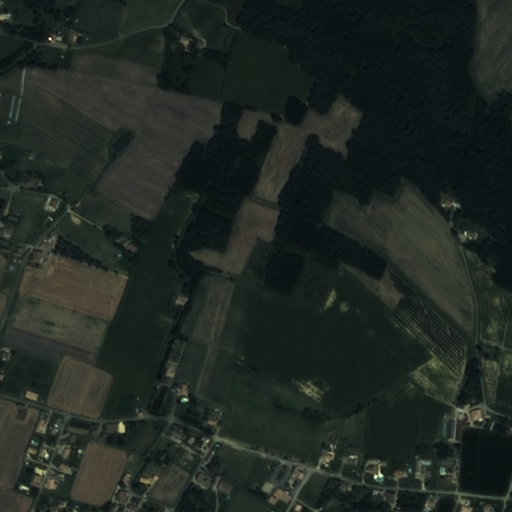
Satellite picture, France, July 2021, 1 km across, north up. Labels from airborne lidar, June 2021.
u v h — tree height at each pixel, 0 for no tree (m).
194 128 0
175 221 0
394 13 18
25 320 0
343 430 0
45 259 0
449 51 19
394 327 0
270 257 6
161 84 5
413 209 0
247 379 0
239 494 0
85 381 0
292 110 15
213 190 12
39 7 9
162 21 0
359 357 0
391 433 0
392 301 0
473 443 0
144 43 0
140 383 0
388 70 16
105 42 0
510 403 0
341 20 17
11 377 0
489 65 0
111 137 0
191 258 12
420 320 8
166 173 0
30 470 11
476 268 0
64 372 0
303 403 0
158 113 0
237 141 16
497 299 0
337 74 25
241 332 0
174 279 0
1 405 0
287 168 0
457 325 0
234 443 0
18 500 0
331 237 23
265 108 0
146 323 0
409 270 0
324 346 0
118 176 0
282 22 16
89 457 0
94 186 0
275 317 0
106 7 0
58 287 0
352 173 8
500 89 0
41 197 0
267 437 0
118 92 0
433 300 0
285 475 0
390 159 23
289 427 0
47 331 0
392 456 0
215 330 0
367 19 27
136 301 0
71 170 0
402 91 16
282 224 15
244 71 0
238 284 0
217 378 0
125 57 0
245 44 0
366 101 16
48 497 0
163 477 0
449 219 15
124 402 0
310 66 19
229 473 0
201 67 0
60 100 0
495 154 18
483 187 21
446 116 15
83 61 0
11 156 0
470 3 22
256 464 0
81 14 0
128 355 0
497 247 21
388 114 20
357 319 0
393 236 0
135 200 0
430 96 22
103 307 0
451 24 18
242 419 0
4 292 0
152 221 9
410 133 24
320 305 0
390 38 14
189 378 0
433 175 17
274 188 0
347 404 0
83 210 0
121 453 0
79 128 0
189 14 0
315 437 0
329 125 0
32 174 6
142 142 0
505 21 0
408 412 0
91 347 0
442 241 0
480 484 0
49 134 0
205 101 0
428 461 0
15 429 0
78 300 0
